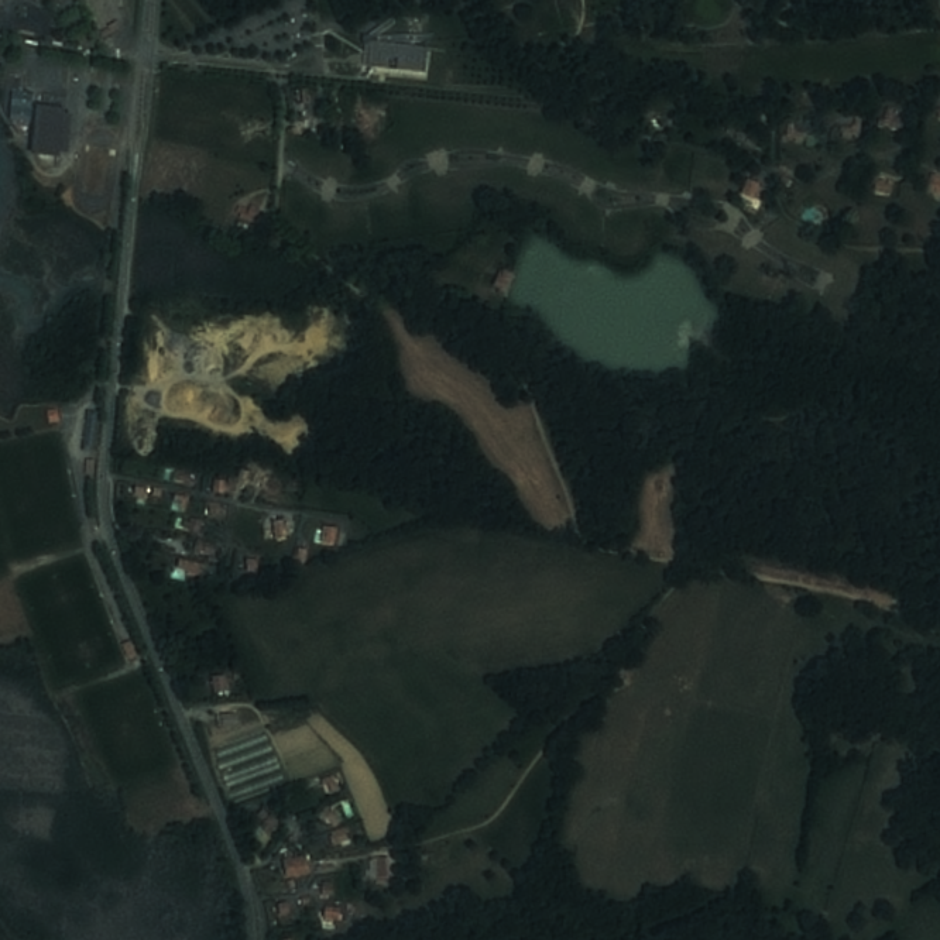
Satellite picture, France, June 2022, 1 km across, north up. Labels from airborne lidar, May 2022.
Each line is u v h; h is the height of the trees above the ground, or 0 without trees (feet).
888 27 62
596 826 0
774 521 76
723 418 63
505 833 0
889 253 53
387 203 0
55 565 0
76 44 27
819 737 66
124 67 50
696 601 0
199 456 31
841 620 0
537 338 54
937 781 78
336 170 0
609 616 0
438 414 32
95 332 44
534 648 0
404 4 51
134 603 0
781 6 69
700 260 61
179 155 0
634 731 0
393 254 50
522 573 0
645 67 49
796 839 0
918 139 64
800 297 67
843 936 0
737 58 0
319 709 0
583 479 75
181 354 0
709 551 75
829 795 0
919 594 67
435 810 24
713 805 0
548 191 0
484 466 20
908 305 79
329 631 0
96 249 0
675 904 64
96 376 33
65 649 0
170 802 0
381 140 0
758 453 81
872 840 0
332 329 0
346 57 0
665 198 0
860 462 55
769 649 0
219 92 0
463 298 49
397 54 0
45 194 0
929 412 76
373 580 0
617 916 57
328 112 66
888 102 78
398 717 0
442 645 0
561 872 50
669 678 0
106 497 0
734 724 0
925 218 0
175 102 0
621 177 0
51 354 30
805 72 0
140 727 0
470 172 0
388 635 0
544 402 44
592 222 0
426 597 0
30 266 0
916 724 47
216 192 0
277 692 0
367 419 78
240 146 0
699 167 0
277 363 0
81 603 0
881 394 72
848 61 0
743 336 47
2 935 0
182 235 0
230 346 0
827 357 70
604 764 0
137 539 40
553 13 0
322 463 79
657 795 0
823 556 60
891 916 77
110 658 0
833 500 51
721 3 0
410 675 0
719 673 0
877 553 65
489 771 21
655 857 0
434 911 54
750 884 70
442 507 73
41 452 0
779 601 0
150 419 0
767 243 0
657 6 83
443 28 0
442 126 0
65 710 0
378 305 67
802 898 0
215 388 0
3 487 0
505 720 0
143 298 19
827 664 48
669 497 0
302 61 0
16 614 0
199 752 0
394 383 32
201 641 44
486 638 0
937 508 102
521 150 0
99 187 0
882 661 76
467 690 0
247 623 0
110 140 0
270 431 0
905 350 60
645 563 52
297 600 0
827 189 0
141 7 0
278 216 39
